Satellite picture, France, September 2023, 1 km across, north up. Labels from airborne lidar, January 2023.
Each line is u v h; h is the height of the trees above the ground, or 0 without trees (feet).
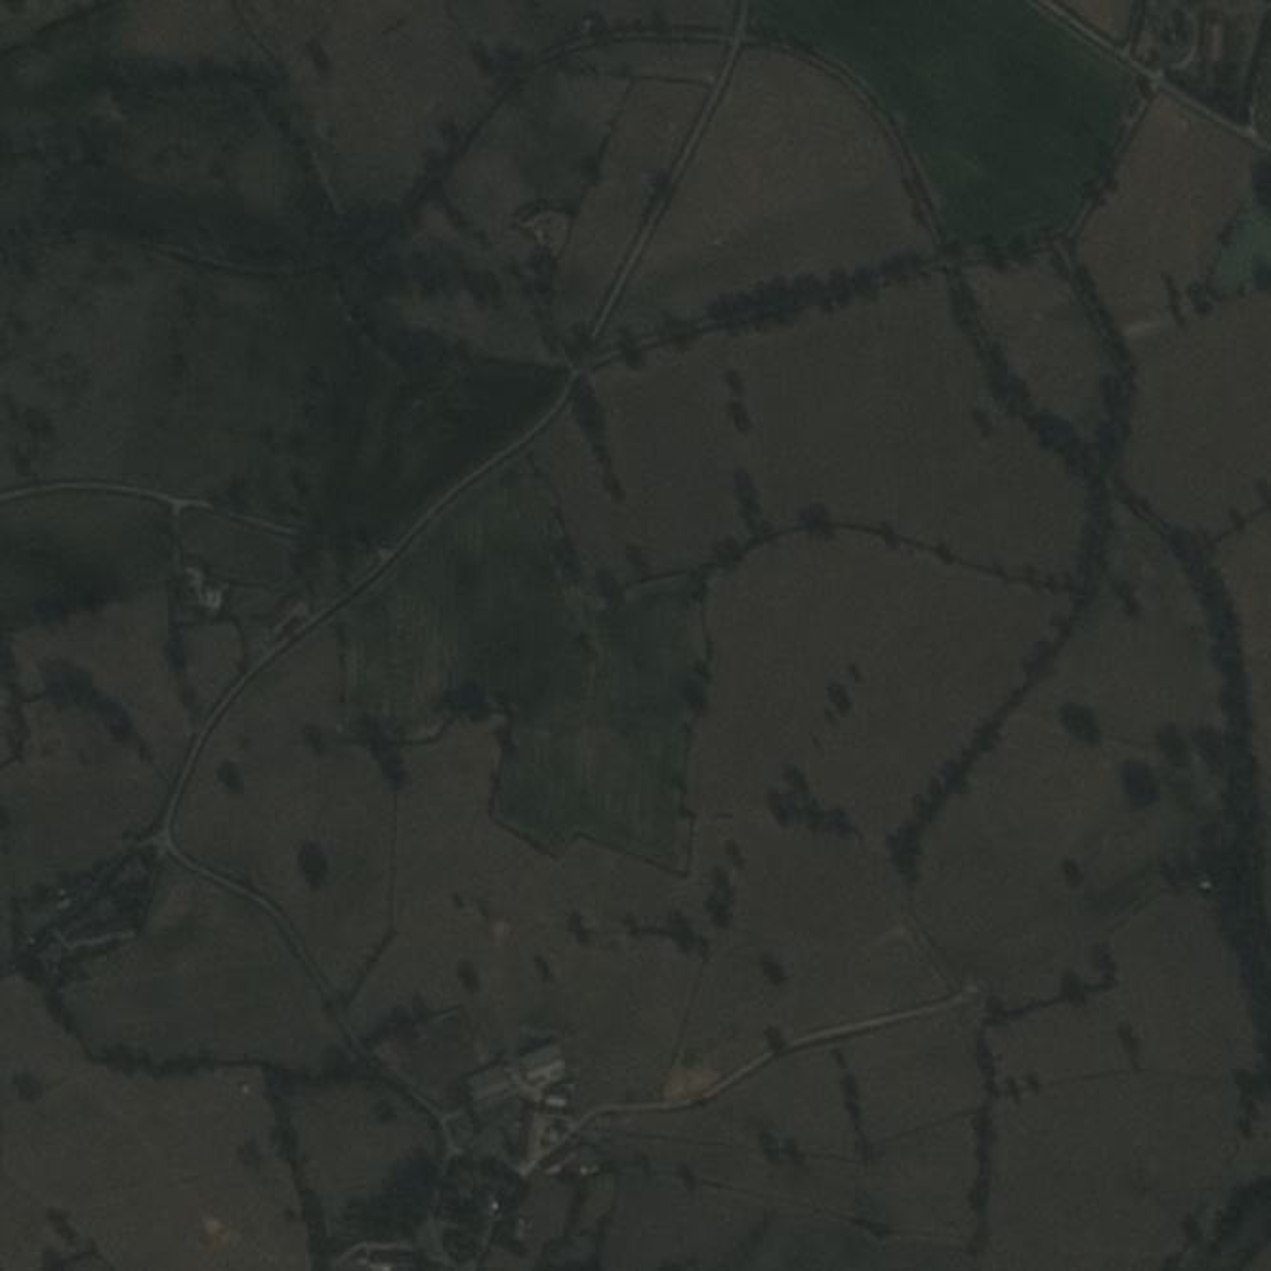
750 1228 0
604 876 0
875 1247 0
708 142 0
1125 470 0
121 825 0
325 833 0
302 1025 0
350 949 0
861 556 0
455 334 0
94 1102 0
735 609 0
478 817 0
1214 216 0
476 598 0
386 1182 0
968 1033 0
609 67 0
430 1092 0
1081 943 0
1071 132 0
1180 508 0
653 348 0
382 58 0
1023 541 0
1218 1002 0
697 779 0
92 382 0
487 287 50
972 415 0
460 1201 20
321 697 0
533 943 0
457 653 0
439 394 0
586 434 45
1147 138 0
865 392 0
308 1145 0
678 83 0
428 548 0
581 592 0
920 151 0
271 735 0
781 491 0
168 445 0
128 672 0
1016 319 0
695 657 0
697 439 0
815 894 0
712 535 0
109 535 0
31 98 0
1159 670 0
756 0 0
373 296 0
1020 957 0
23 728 48
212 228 0
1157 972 0
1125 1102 0
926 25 0
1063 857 0
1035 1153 0
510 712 51
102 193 0
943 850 0
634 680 0
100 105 0
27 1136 0
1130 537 0
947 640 0
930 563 0
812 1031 0
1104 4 0
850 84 0
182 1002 0
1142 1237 0
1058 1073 0
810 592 0
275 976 0
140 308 0
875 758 0
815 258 0
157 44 0
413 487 0
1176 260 0
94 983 0
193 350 0
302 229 0
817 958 0
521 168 0
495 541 0
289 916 0
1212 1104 0
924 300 0
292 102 0
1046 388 0
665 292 0
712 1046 0
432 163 44
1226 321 0
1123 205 0
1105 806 0
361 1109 0
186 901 0
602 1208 0
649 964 0
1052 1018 0
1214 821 0
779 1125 0
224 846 0
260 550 0
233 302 0
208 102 0
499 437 0
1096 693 0
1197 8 0
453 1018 0
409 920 0
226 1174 0
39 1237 0
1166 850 0
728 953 0
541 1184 0
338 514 0
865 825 0
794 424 0
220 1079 0
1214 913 0
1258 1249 22
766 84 0
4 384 0
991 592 0
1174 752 68
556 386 0
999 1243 0
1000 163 0
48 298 0
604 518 0
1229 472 0
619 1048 0
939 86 0
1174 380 0
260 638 0
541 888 0
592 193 0
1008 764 0
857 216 0
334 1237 0
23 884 0
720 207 0
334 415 0
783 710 0
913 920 0
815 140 0
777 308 65
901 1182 0
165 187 0
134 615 0
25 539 0
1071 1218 0
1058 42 0
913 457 0
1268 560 0
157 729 0
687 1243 0
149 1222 0
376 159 0
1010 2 0
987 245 37
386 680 0
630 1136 0
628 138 0
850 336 0
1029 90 0
